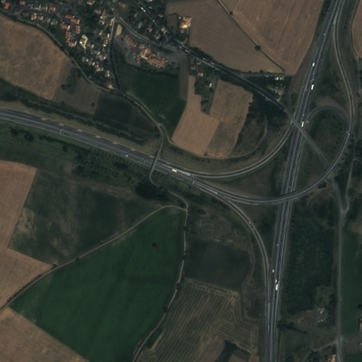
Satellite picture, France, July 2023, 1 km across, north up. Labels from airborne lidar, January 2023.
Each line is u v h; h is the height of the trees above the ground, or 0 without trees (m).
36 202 0
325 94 11
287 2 0
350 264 0
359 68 0
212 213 0
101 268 0
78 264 0
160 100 0
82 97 0
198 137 0
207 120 0
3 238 0
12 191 0
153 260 0
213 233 0
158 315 0
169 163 0
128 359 0
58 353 0
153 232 0
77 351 0
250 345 0
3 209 0
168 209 0
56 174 0
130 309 0
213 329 0
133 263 0
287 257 0
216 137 0
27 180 0
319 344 0
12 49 0
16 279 0
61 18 0
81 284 0
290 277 6
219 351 0
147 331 0
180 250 0
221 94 0
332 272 8
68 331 0
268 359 0
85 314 0
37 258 0
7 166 0
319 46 0
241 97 0
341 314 0
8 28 0
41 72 0
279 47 0
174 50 0
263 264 0
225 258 0
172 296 0
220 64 8
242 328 0
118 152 0
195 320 0
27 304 0
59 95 0
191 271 0
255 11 0
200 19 0
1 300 0
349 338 0
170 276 0
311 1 0
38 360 0
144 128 0
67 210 0
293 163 0
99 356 0
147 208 0
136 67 7
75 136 0
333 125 0
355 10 0
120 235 0
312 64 0
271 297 0
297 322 0
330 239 8
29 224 0
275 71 0
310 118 0
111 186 0
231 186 0
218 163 0
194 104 0
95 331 0
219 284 0
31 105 9
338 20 0
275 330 0
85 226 0
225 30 0
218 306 0
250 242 0
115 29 0
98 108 0
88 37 8
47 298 0
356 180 0
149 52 0
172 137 0
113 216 0
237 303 0
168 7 0
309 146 0
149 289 0
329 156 0
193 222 0
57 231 0
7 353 0
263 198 0
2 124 0
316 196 0
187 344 0
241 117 0
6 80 0
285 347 0
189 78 0
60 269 0
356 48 0
